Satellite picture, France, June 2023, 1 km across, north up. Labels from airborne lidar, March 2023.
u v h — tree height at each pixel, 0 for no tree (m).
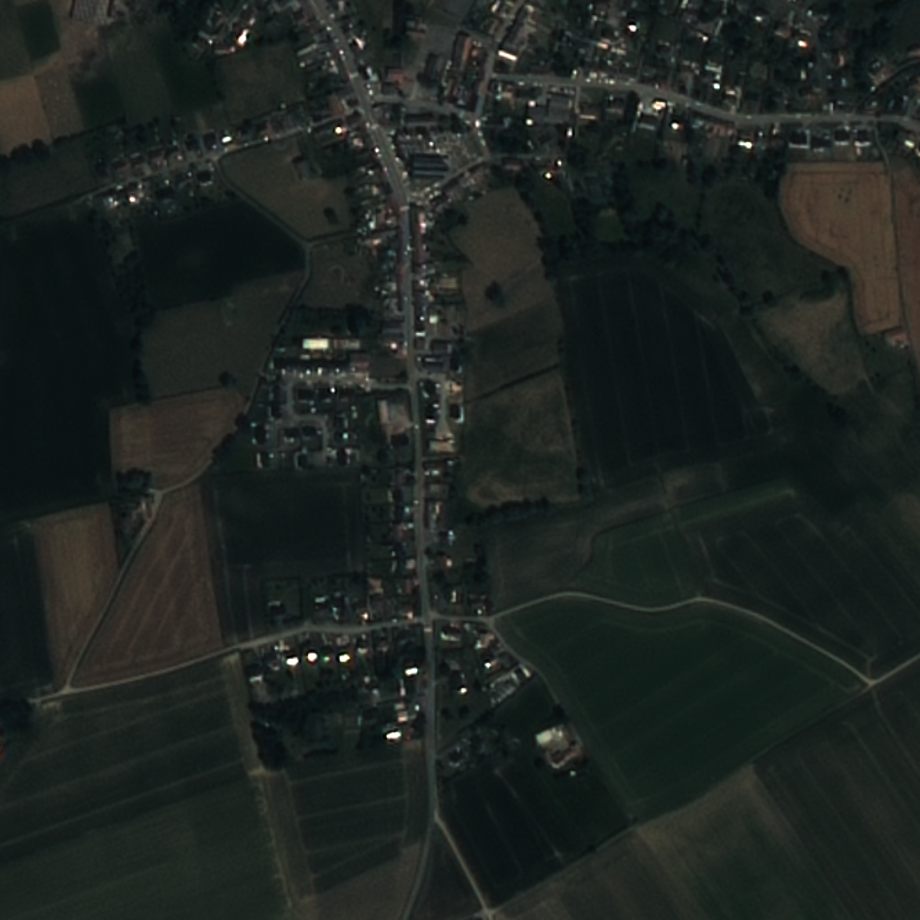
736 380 0
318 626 0
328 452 0
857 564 0
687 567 0
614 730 0
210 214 0
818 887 0
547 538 0
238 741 0
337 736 0
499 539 0
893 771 0
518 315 0
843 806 0
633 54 0
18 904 0
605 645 0
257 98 0
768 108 7
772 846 0
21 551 0
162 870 0
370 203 0
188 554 0
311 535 0
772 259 0
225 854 0
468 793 0
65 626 0
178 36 6
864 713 0
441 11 0
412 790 0
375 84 0
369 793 0
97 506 0
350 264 0
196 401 0
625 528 0
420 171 0
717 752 0
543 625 0
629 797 0
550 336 0
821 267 0
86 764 0
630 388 0
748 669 0
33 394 0
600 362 0
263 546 0
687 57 0
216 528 0
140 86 0
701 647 0
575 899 0
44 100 0
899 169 0
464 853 0
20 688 0
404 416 0
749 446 0
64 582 0
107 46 0
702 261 0
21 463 0
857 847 0
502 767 0
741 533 0
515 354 0
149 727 0
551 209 0
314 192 0
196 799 0
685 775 0
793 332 0
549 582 0
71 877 0
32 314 0
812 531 0
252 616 0
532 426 0
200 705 0
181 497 0
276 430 0
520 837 0
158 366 0
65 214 0
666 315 0
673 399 0
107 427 0
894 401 0
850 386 0
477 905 0
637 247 15
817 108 0
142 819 0
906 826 0
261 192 0
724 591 0
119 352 0
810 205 0
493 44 0
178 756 0
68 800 0
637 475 0
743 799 0
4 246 0
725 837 0
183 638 0
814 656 0
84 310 0
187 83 0
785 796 0
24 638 0
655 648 0
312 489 0
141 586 0
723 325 0
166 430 0
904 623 0
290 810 0
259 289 0
